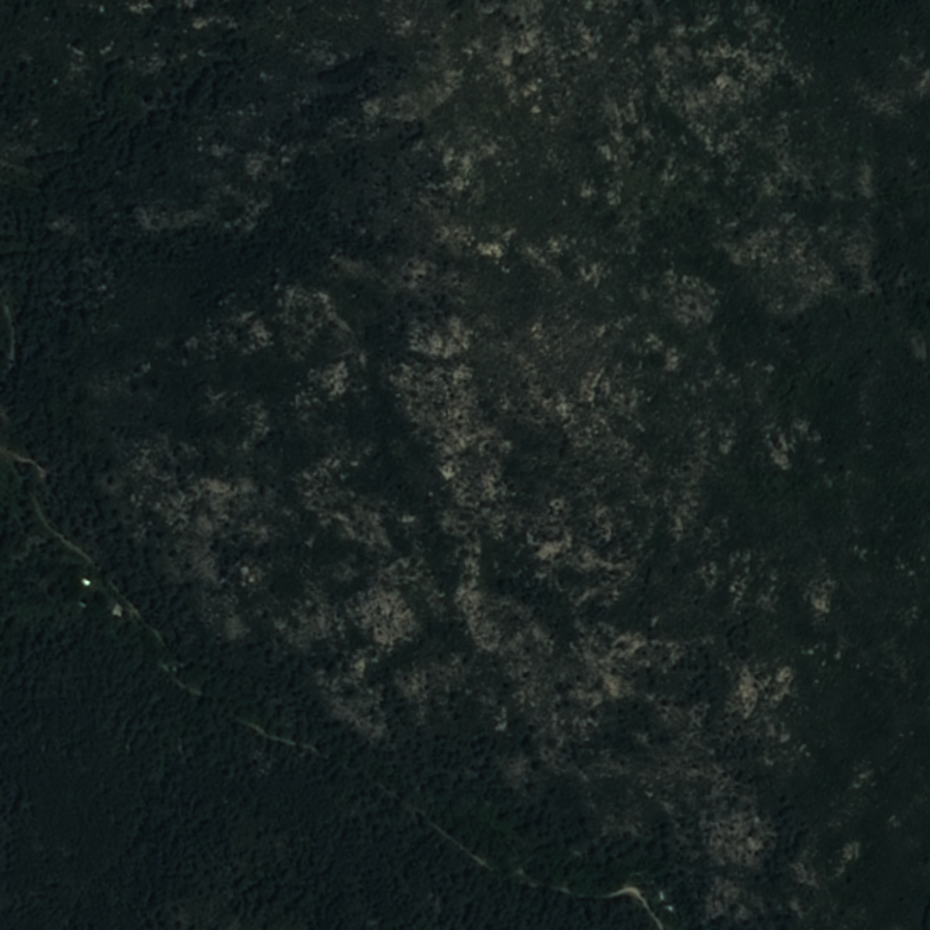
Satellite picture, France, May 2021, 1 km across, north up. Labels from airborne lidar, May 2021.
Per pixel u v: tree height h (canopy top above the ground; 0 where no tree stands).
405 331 11
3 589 10
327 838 20
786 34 6
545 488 0
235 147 16
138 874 15
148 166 11
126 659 20
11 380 11
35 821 16
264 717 18
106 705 19
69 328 22
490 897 25
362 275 0
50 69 7
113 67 17
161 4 17
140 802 18
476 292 0
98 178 19
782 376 8
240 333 13
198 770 18
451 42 0
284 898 19
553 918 23
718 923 17
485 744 18
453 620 6
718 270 7
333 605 7
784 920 15
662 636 0
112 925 20
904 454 6
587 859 11
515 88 0
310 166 9
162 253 15
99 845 17
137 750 17
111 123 19
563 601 10
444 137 0
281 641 14
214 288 10
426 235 0
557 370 0
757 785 10
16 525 10
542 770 18
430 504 8
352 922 10
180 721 15
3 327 17
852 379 13
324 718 22
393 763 13
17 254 16
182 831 10
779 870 17
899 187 7
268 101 9
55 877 19
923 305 13
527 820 13
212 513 5
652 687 11
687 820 13
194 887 13
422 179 10
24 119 17
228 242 14
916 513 7
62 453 21
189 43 6
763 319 7
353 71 9
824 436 5
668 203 9
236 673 15
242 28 11
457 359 7
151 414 6
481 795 15
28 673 16
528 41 0
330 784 19
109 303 6
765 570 6
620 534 6
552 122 0
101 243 7
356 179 9
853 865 8
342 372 0
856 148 6
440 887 13
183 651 18
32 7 18
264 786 14
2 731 15
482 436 0
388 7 0
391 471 7
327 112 8
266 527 0
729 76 11
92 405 7
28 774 11
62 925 19
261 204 13
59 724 15
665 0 12
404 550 7
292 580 6
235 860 11
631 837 16
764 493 6
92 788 25
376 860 15
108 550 17
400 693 15
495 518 0
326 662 9
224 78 15
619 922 15
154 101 24
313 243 9
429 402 0
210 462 13
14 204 8
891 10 10
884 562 6
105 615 13
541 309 0
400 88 0
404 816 21
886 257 10
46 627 14
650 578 10
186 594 15
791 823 16
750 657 13
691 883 18
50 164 22
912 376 6
